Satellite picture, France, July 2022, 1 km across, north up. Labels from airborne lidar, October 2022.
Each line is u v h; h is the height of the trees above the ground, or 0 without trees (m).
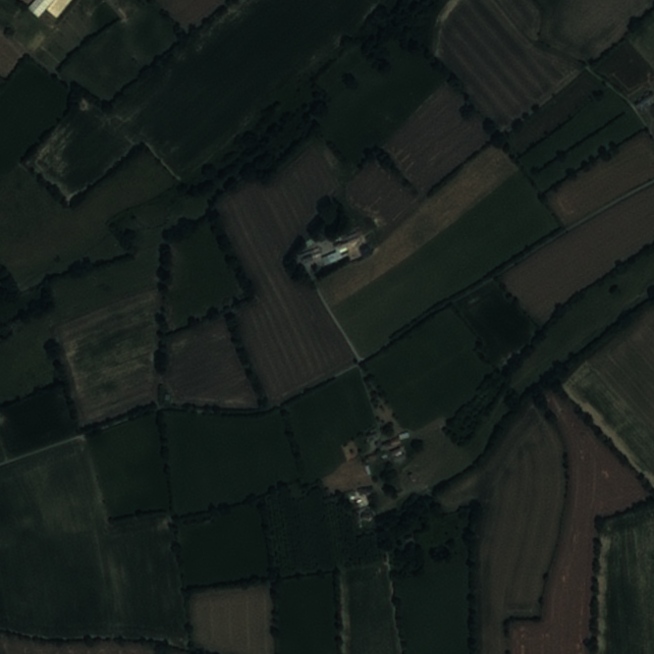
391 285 0
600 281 8
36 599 0
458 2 0
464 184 0
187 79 0
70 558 0
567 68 0
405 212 0
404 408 0
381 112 0
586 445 0
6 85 8
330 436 0
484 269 0
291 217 0
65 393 10
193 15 0
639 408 0
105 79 0
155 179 0
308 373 0
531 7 0
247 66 0
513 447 0
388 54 8
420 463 0
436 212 0
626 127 0
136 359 0
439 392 0
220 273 0
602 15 0
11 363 0
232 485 0
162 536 0
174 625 0
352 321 0
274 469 0
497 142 18
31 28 0
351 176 0
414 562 14
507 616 0
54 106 0
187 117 0
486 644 0
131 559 0
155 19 0
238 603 0
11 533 0
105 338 0
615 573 0
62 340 0
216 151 0
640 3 0
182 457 0
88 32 0
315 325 0
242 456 0
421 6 12
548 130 0
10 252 0
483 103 0
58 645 12
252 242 0
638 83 0
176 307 0
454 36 0
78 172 0
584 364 0
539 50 0
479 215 0
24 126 0
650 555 0
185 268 0
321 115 14
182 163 0
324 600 0
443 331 0
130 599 0
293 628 0
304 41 0
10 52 0
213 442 0
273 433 0
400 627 8
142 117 0
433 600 0
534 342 9
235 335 11
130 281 0
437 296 0
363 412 0
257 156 9
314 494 8
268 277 0
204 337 0
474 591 7
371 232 0
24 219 0
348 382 0
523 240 0
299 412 0
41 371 0
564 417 0
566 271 0
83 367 0
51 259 0
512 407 19
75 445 0
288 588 0
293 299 0
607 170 0
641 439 0
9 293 21
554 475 0
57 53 0
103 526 0
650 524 0
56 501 0
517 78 0
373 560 5
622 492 0
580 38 0
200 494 0
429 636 0
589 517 0
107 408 0
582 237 0
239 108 0
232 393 0
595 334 0
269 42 0
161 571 0
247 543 0
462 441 5
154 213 0
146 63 0
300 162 0
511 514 0
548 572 0
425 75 0
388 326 0
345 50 6
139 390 0
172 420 0
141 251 0
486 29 0
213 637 0
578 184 0
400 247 0
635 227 0
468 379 0
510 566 0
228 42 0
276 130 16
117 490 0
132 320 0
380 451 7
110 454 0
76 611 0
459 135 0
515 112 0
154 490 0
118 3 0
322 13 0
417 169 0
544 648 0
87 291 0
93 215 0
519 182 0
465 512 11
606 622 0
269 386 0
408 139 0
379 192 0
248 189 0
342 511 7
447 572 0
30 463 0
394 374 0
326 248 0
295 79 0
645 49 0
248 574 0
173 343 0
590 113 0
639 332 0
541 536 0
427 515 8
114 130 0
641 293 0
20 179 0
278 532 7
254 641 0
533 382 0
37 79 0
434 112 0
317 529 6
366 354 0
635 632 0
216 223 21
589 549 0
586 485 0
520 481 0
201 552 0
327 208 23
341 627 14
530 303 0
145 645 14
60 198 17
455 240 0
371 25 14
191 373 0
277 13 0
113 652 0
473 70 0
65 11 0
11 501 0
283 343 0
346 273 0
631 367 0
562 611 0
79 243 0
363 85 0
